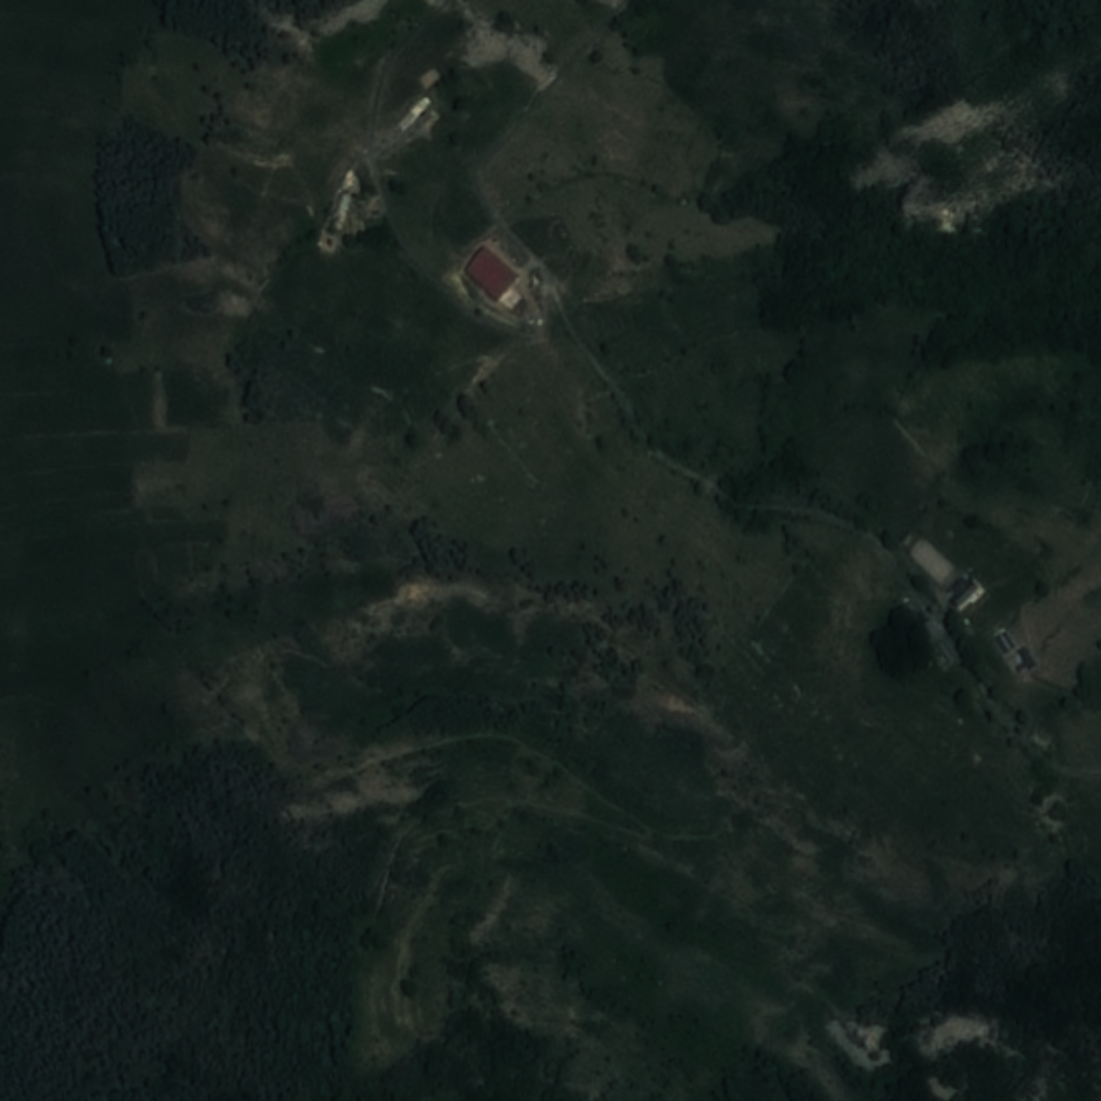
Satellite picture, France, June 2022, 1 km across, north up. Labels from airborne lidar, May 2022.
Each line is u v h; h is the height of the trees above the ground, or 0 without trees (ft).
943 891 0
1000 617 0
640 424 31
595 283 0
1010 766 0
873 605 0
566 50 0
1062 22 50
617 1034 0
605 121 0
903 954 0
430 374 0
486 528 0
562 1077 45
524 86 0
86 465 0
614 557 0
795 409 0
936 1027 29
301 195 0
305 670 0
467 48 0
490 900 0
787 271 31
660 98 0
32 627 0
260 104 0
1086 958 54
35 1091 56
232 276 0
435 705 61
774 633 0
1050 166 45
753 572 0
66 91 0
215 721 0
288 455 0
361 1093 31
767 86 0
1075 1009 42
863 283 45
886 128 38
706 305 0
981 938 65
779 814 0
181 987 36
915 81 21
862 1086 35
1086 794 0
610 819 0
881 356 0
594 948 0
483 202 0
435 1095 30
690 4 0
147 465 0
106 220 67
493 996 30
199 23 77
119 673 0
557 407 0
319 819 0
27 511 0
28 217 0
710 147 0
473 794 0
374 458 0
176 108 0
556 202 0
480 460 0
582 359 0
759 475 31
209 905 31
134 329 0
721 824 0
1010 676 0
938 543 0
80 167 0
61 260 0
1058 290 56
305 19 38
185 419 0
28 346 0
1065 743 0
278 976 75
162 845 28
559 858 29
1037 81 22
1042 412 25
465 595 0
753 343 0
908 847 0
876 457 0
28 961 68
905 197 48
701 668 20
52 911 56
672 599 45
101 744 0
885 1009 30
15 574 0
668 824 0
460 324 0
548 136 0
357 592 0
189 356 0
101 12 0
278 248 0
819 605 0
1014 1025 34
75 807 0
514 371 0
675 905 0
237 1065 57
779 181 68
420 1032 0
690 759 0
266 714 0
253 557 0
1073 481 0
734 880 0
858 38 21
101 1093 31
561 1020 0
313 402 0
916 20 40
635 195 0
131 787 27
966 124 0
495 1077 30
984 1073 29
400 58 0
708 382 0
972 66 23
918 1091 51
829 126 29
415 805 23
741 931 0
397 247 27
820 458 0
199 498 0
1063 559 0
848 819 18
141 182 30
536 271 0
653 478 0
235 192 0
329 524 0
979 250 39
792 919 0
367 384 0
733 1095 40
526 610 31
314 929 57
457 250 0
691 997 0
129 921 47
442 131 0
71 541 0
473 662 0
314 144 0
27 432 0
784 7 0
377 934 36
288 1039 81
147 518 0
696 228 0
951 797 0
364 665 0
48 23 0
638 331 0
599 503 0
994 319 42
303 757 0
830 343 0
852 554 0
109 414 0
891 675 37
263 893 39
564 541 0
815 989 0
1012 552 0
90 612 0
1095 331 50
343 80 0
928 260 43
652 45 0
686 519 0
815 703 0
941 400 0
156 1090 41
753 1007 0
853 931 0
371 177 0
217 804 30
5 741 0
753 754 0
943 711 0
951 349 59
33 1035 46
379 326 0
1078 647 0
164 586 0
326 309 0
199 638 0
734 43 0
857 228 31
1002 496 0
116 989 46
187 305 0
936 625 0
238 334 0
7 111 0
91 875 52
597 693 0
